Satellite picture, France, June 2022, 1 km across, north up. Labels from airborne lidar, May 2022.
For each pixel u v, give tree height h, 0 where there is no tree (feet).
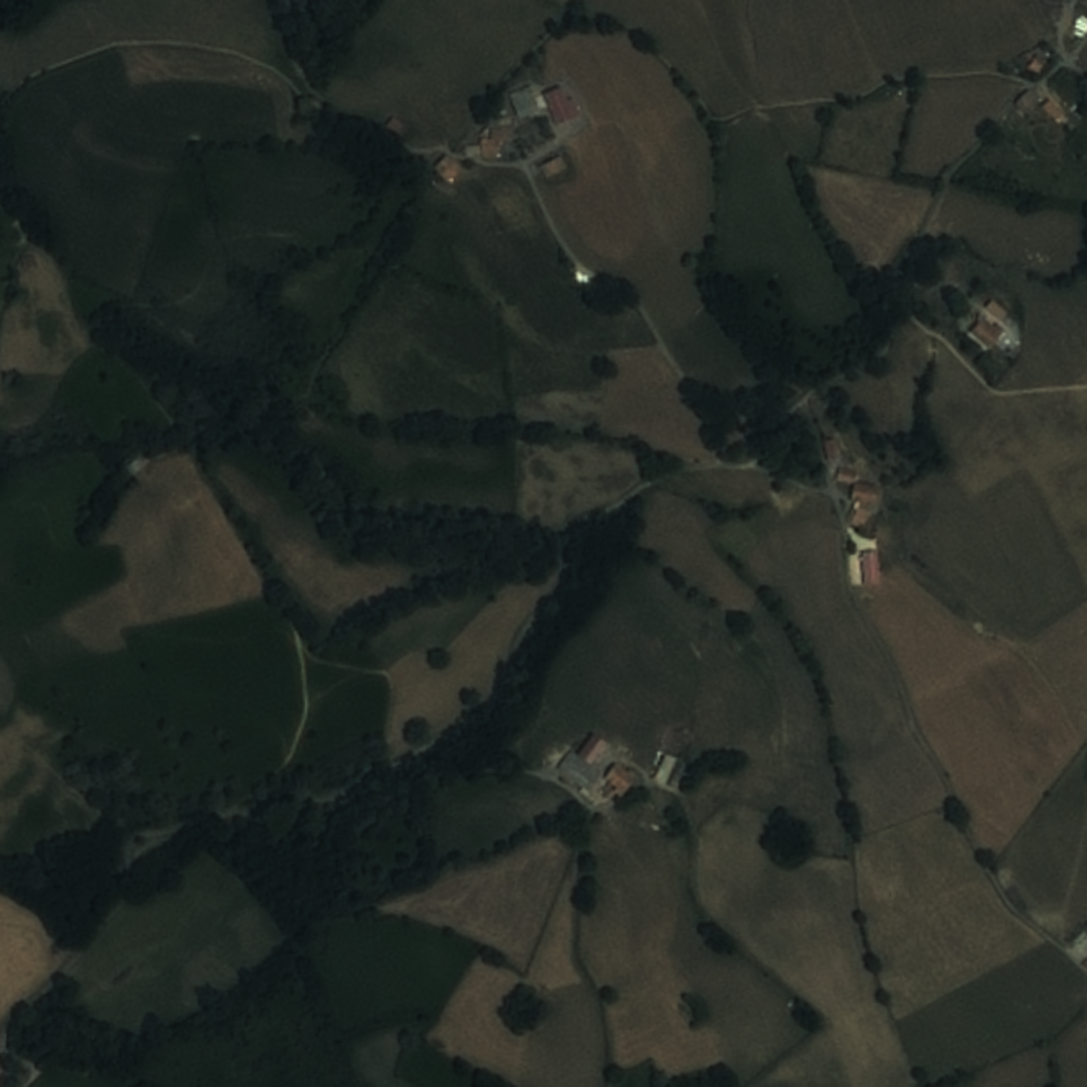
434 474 0
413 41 0
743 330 69
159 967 0
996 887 0
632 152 0
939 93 0
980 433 0
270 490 0
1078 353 0
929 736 0
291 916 26
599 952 0
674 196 0
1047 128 0
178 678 0
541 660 49
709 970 0
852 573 0
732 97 0
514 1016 40
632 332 0
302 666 0
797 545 0
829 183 0
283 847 80
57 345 0
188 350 24
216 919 0
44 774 0
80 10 0
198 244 0
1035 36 0
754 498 0
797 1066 0
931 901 0
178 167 0
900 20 0
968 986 0
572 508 0
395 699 0
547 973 0
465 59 0
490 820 0
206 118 0
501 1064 0
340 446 0
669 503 0
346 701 0
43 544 0
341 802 38
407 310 0
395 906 0
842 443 0
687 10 0
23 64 0
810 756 0
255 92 0
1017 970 0
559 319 0
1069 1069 0
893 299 66
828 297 0
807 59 0
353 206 23
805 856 30
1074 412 0
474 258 0
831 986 0
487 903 0
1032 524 0
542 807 0
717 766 66
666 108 0
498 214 0
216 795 53
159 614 0
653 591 0
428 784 78
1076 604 0
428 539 58
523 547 93
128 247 0
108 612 0
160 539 0
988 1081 0
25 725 0
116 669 0
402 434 49
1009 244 0
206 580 0
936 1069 0
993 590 0
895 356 0
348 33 99
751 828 0
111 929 0
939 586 0
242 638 0
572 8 43
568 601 47
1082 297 0
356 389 0
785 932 0
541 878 0
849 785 45
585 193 0
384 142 67
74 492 0
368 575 0
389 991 0
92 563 0
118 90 0
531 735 0
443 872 39
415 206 38
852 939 0
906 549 0
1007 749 0
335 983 0
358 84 0
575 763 0
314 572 0
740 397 50
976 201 0
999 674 0
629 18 0
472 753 73
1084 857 0
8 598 0
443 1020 0
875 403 0
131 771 24
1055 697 0
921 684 0
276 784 42
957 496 0
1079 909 0
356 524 71
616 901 0
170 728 39
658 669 0
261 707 0
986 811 0
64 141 0
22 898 54
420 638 0
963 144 0
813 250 0
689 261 42
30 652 0
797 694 0
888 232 0
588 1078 0
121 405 0
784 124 0
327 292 0
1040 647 0
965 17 0
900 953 0
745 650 0
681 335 0
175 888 67
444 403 0
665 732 0
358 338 0
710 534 0
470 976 0
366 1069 0
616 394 0
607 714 0
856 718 0
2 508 0
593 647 0
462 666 0
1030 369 0
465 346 0
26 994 0
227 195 0
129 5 0
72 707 0
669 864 0
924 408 31
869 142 0
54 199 0
